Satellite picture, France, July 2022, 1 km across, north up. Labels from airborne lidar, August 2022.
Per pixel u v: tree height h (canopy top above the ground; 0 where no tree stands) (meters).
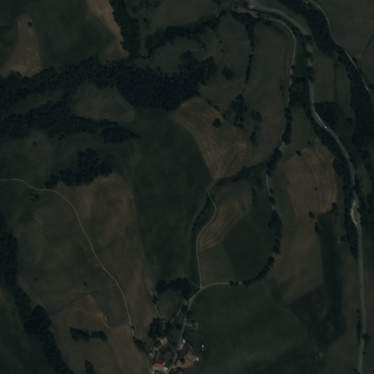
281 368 0
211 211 0
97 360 0
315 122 17
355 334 0
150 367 0
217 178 0
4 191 0
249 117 0
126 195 0
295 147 0
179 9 0
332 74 0
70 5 0
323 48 18
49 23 0
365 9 0
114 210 0
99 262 0
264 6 0
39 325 21
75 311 0
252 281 12
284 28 0
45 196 0
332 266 0
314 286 0
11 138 0
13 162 0
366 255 0
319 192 0
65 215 0
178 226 0
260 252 0
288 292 0
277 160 10
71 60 0
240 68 0
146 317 0
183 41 0
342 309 0
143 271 0
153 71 20
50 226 0
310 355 0
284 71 0
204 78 22
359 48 0
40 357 0
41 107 7
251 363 0
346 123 0
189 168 0
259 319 0
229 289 0
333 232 0
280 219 22
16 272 18
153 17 0
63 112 14
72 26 0
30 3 0
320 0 0
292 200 0
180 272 0
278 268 0
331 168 0
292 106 7
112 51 0
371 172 26
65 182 15
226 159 0
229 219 0
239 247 0
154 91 26
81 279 0
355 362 0
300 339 0
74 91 10
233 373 0
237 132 0
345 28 0
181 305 0
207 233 0
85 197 0
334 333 0
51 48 0
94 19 0
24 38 0
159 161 0
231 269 0
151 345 0
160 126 0
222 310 0
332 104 7
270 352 0
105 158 0
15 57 0
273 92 0
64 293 0
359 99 21
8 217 0
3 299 0
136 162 0
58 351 18
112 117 0
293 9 18
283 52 0
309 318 0
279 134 0
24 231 0
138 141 0
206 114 0
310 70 19
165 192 0
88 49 0
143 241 0
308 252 0
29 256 0
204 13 0
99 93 0
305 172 0
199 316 0
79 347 0
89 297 0
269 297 0
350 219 21
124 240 0
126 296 0
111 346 0
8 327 0
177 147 0
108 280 0
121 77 28
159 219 0
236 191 0
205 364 0
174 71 0
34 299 0
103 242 0
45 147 0
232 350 0
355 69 20
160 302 0
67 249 0
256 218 0
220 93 0
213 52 0
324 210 0
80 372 0
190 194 0
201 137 0
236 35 0
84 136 0
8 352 0
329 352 0
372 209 22
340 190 0
